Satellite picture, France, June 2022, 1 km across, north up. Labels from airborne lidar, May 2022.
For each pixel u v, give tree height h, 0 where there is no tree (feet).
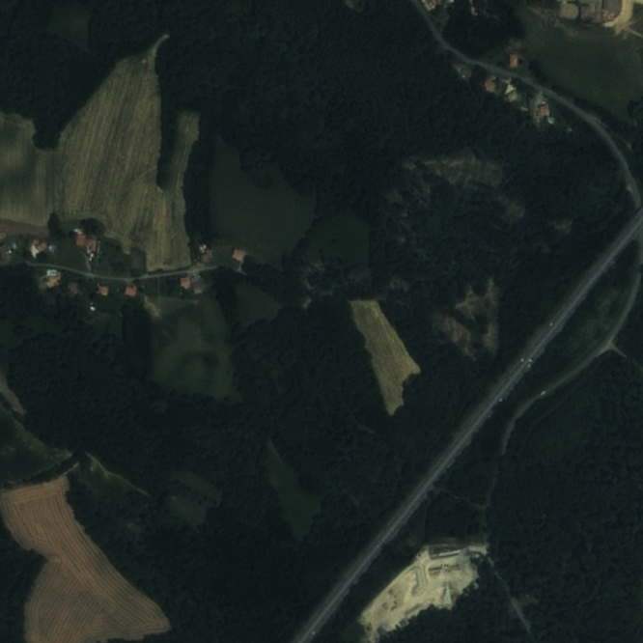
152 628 0
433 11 42
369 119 89
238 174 0
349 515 61
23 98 70
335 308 70
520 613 0
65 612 0
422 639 81
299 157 90
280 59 83
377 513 34
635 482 112
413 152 89
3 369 0
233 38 96
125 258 0
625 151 29
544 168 88
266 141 91
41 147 56
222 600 22
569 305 0
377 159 83
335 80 86
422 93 76
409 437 70
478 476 98
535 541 103
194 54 81
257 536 30
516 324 56
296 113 64
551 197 86
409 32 59
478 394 22
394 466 55
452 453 0
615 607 112
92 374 81
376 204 72
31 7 34
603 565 104
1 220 0
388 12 88
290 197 0
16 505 0
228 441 89
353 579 0
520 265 83
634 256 49
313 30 103
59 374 76
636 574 106
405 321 92
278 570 64
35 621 0
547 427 24
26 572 93
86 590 0
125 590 0
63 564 0
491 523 89
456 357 82
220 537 24
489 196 89
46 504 0
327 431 22
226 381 0
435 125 95
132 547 89
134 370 61
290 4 87
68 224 0
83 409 55
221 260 0
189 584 28
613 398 106
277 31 103
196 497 27
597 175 78
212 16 94
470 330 71
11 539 31
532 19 0
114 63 33
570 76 0
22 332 57
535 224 117
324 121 40
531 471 104
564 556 107
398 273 90
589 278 0
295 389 34
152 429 77
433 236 94
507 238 79
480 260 102
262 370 55
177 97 78
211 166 31
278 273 60
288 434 99
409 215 52
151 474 60
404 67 78
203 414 24
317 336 76
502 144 79
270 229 0
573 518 112
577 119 34
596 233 54
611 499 107
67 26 0
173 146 31
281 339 84
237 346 22
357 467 93
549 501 122
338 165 89
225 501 55
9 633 68
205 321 0
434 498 36
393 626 0
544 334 0
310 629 0
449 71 52
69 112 61
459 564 0
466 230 69
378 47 72
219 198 0
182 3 35
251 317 0
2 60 83
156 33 54
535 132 59
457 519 52
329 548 86
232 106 71
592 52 0
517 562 101
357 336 66
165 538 23
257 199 0
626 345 35
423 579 0
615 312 39
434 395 77
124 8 107
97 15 48
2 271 57
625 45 0
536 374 30
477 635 83
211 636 35
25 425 51
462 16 36
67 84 59
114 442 54
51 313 63
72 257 0
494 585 105
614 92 0
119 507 25
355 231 0
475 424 0
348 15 93
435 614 82
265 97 96
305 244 63
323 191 67
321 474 41
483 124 87
